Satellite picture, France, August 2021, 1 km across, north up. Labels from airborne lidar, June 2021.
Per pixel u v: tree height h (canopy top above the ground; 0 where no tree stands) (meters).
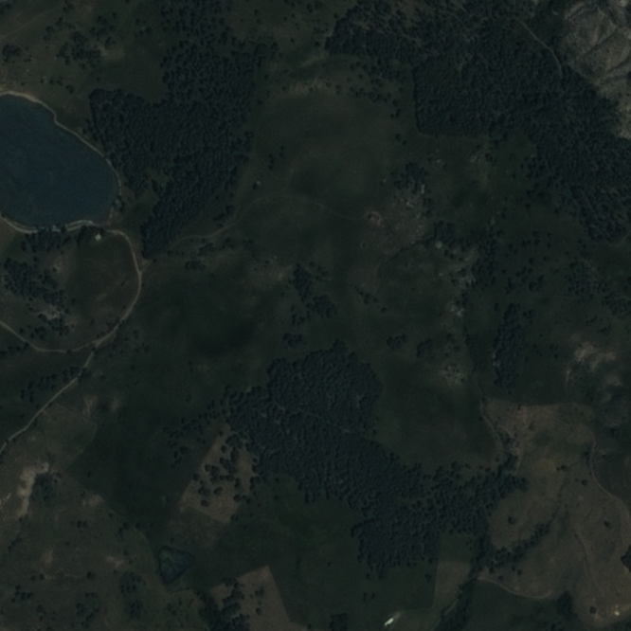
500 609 0
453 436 0
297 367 12
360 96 9
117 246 0
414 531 15
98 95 13
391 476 20
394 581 0
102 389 0
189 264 9
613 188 21
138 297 0
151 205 0
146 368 0
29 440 0
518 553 10
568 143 20
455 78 22
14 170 0
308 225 0
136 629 0
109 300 0
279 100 0
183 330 0
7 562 0
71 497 0
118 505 0
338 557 0
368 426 14
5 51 7
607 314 0
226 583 8
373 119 0
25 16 0
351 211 0
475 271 11
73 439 0
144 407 0
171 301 0
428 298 0
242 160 10
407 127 0
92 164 0
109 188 0
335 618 10
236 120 19
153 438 0
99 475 0
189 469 0
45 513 0
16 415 0
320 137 0
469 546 7
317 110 0
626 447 0
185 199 26
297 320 8
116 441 0
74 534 0
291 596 0
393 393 0
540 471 0
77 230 0
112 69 0
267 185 0
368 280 0
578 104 21
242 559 0
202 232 0
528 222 0
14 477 0
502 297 0
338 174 0
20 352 14
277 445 13
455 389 0
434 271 0
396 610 0
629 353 0
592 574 0
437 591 0
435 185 0
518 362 9
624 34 0
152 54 0
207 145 22
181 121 26
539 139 17
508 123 14
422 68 17
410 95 0
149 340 0
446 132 25
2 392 0
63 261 0
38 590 0
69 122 0
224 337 0
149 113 19
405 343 9
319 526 0
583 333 0
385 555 13
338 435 16
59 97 0
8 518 0
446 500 11
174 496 0
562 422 0
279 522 0
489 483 14
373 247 0
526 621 0
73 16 0
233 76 21
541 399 0
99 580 0
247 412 16
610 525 11
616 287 0
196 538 0
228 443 12
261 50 16
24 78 0
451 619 6
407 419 0
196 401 0
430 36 21
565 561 0
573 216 10
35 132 0
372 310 0
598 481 0
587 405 0
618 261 0
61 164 0
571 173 26
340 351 11
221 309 0
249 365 0
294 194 0
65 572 0
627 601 0
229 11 8
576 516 0
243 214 0
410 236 0
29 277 10
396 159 0
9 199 0
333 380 12
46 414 0
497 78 19
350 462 13
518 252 10
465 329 7
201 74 10
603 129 17
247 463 0
